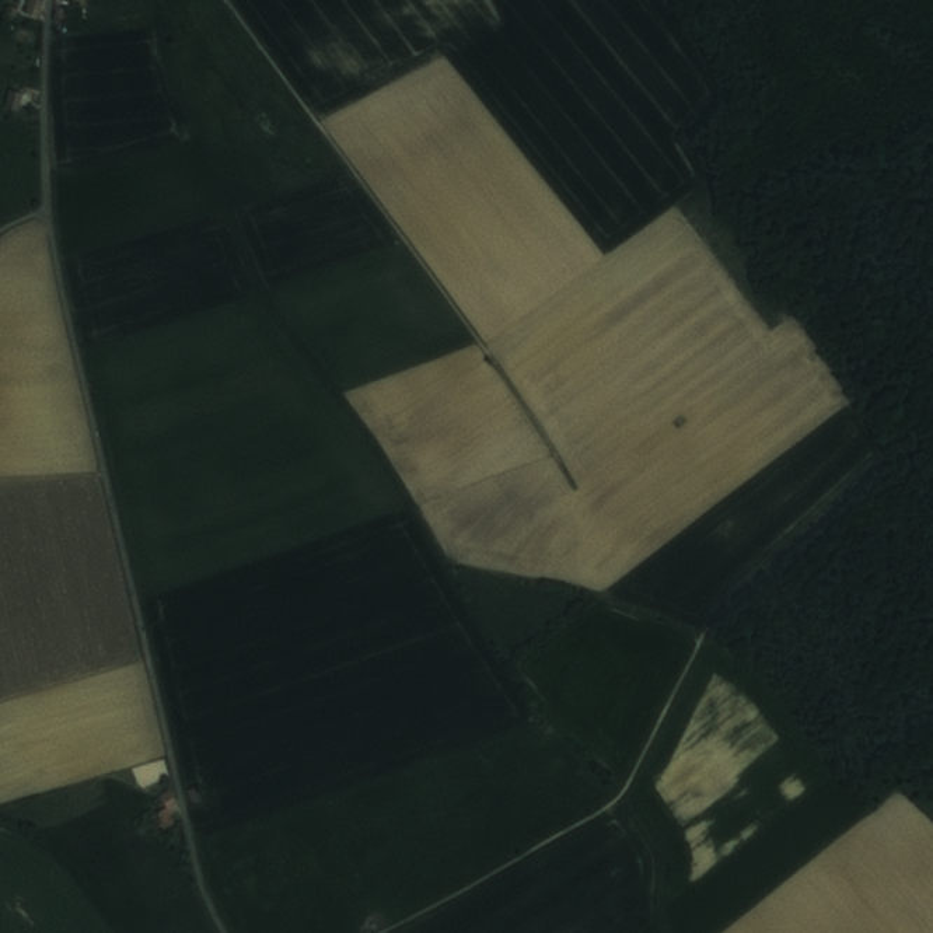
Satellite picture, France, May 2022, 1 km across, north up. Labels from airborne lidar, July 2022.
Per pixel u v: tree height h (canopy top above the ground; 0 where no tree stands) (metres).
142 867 0
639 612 0
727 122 26
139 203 0
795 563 25
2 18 6
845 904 0
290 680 0
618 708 0
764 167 9
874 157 26
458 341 0
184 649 0
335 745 0
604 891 0
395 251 0
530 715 0
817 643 13
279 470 0
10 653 0
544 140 0
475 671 0
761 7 8
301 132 0
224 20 0
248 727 0
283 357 0
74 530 0
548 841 0
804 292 25
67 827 0
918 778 19
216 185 0
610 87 0
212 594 0
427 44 0
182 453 0
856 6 8
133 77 0
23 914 0
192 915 0
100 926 0
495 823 0
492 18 0
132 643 0
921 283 24
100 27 0
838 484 0
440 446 0
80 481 0
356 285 0
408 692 0
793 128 10
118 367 0
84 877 0
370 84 0
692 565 0
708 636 12
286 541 0
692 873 0
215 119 0
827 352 17
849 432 0
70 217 0
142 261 0
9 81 0
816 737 14
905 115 9
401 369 0
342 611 0
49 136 0
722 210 21
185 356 0
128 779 0
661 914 0
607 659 0
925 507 24
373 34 0
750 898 0
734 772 0
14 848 0
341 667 0
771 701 0
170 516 0
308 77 0
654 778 0
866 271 18
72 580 0
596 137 0
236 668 0
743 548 0
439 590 0
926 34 11
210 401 0
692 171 0
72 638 0
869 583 26
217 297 0
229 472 0
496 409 0
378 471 0
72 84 0
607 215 0
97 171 0
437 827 0
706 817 0
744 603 23
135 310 0
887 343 27
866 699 28
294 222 0
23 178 0
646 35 0
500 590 0
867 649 27
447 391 0
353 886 0
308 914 0
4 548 0
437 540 0
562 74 0
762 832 0
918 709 22
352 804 0
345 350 0
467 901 0
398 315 0
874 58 10
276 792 0
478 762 0
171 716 0
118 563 0
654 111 0
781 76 11
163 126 0
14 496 0
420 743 0
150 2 0
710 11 29
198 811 0
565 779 0
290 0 0
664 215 0
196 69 0
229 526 0
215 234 0
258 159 0
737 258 0
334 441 0
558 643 0
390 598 0
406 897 0
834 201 23
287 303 0
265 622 0
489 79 0
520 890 0
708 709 0
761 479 0
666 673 0
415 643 0
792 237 30
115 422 0
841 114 9
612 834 0
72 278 0
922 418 26
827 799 0
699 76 0
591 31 0
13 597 0
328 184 0
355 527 0
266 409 0
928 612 17
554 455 0
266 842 0
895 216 27
